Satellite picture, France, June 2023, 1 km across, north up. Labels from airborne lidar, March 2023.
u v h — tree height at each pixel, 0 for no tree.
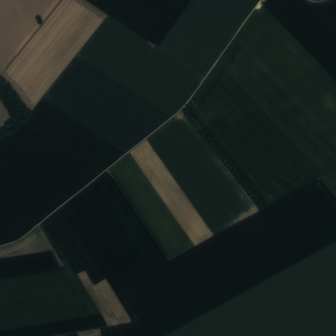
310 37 0
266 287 0
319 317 0
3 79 19
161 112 0
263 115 0
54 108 0
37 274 0
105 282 0
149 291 0
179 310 0
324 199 0
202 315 0
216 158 0
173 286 0
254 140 0
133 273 0
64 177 0
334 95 0
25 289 0
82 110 0
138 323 0
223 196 0
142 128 0
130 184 0
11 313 0
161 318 0
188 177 0
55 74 0
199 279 0
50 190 0
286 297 0
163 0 0
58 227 0
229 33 0
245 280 0
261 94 0
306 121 0
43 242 0
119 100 0
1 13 0
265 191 0
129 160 0
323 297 0
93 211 0
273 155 0
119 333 0
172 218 0
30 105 0
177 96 0
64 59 0
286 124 0
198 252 0
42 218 0
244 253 0
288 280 0
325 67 0
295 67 0
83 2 0
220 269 0
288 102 0
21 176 0
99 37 0
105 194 0
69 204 0
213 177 0
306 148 0
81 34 0
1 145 0
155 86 0
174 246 0
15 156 0
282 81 0
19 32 0
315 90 0
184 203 0
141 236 0
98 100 0
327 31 0
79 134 0
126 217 0
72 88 0
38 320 0
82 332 0
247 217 0
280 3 0
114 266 0
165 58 0
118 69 0
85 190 0
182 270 0
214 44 0
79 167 0
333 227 0
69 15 0
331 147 0
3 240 0
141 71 0
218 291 0
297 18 0
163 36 0
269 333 0
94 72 0
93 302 0
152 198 0
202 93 0
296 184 0
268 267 0
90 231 0
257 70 0
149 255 0
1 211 0
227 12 0
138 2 0
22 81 0
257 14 0
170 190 0
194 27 0
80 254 0
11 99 21
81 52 0
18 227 0
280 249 0
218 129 0
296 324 0
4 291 0
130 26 0
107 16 0
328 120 0
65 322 0
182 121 0
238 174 6
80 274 0
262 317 0
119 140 0
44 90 0
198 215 0
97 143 0
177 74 0
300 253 0
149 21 0
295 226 0
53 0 0
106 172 0
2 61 0
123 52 0
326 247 0
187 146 0
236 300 0
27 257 0
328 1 0
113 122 0
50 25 0
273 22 0
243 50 0
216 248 0
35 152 0
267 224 0
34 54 0
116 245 0
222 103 0
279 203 0
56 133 0
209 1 0
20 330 0
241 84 0
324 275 0
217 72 0
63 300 0
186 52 0
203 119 0
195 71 0
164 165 0
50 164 0
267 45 0
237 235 0
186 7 0
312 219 0
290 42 0
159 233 0
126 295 0
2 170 0
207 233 0
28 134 0
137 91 0
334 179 0
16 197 0
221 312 0
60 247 0
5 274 0
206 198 0
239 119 0
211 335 0
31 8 0
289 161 0
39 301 0
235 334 0
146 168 0
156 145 0
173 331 0
